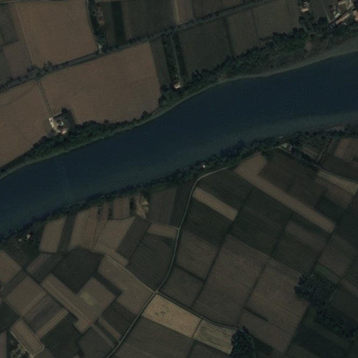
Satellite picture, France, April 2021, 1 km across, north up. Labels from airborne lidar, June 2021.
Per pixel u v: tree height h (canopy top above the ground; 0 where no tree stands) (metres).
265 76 0
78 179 0
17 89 0
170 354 0
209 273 0
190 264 0
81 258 0
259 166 0
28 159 13
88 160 0
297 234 0
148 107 0
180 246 0
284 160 0
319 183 0
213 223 0
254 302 0
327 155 0
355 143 0
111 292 0
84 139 16
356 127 0
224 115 0
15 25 0
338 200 0
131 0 0
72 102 0
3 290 0
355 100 0
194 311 0
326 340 0
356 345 0
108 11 0
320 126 0
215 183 0
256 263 0
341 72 0
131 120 0
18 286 0
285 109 0
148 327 0
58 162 0
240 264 0
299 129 0
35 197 0
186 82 12
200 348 0
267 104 0
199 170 15
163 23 0
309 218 0
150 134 0
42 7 0
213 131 0
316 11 0
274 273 0
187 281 0
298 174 0
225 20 0
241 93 0
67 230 0
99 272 0
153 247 0
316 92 0
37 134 0
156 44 0
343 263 0
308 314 0
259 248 0
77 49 0
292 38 12
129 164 0
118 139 0
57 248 0
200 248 0
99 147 0
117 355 0
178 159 0
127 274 0
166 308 0
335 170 0
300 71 0
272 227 0
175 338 0
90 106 0
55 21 0
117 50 12
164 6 0
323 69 0
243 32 0
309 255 0
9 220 0
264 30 0
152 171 0
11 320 0
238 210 0
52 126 0
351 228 0
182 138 0
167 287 0
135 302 0
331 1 0
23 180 0
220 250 0
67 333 0
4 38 0
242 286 0
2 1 0
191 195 0
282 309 0
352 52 0
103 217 0
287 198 0
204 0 0
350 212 0
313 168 0
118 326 0
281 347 0
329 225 0
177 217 0
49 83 0
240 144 0
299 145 15
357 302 0
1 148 0
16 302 0
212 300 0
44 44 0
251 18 0
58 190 0
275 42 17
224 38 0
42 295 0
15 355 0
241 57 10
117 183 0
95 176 0
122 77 0
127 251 0
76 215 0
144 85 0
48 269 0
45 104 0
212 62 0
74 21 0
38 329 0
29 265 0
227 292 0
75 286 0
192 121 0
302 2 13
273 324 0
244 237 0
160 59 0
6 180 0
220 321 0
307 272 0
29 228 12
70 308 0
